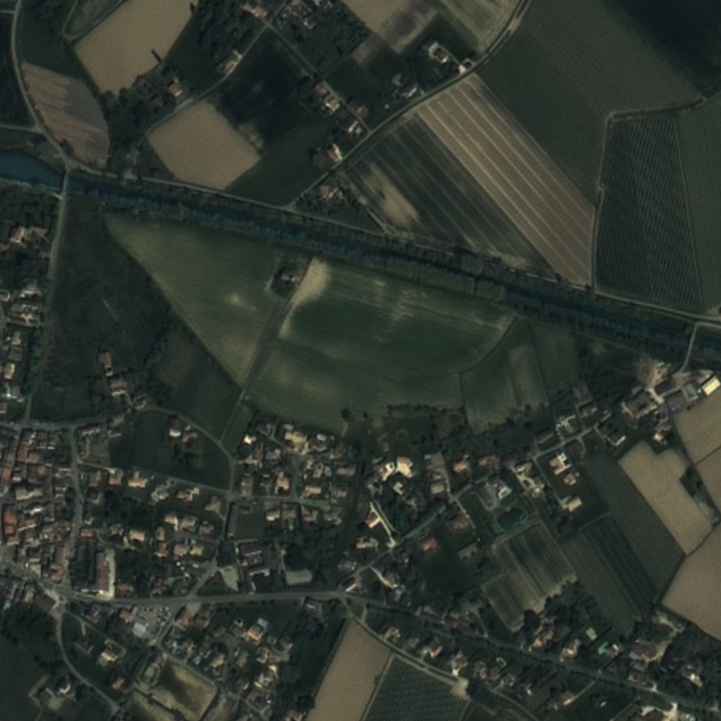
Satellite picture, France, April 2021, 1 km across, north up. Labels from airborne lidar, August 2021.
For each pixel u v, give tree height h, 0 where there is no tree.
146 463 0
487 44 0
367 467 5
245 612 6
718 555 0
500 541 0
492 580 0
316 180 0
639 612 0
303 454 0
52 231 12
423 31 0
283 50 0
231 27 15
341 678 0
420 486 6
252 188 0
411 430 0
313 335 0
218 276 0
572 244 0
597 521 0
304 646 9
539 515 0
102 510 0
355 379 0
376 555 18
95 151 0
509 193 0
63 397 0
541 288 7
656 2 0
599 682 9
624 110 0
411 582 7
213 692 0
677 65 0
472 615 10
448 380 0
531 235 0
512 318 0
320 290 0
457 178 0
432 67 0
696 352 0
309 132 0
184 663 0
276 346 0
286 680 18
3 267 10
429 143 0
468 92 0
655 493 0
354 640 0
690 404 0
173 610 0
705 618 0
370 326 0
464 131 0
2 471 0
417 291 0
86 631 0
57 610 0
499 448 8
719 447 0
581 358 10
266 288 0
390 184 0
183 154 0
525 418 11
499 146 0
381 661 0
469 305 0
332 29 7
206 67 0
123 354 0
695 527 0
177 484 0
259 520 0
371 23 0
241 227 13
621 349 0
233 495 0
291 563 12
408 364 0
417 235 0
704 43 0
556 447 0
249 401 0
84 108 0
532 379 0
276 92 0
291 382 0
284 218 9
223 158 0
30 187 13
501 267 17
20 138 0
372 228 0
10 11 0
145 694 0
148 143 7
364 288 0
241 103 0
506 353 0
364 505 0
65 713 0
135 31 0
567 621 14
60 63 0
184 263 0
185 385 0
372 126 6
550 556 0
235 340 0
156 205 13
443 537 0
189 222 12
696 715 9
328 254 6
